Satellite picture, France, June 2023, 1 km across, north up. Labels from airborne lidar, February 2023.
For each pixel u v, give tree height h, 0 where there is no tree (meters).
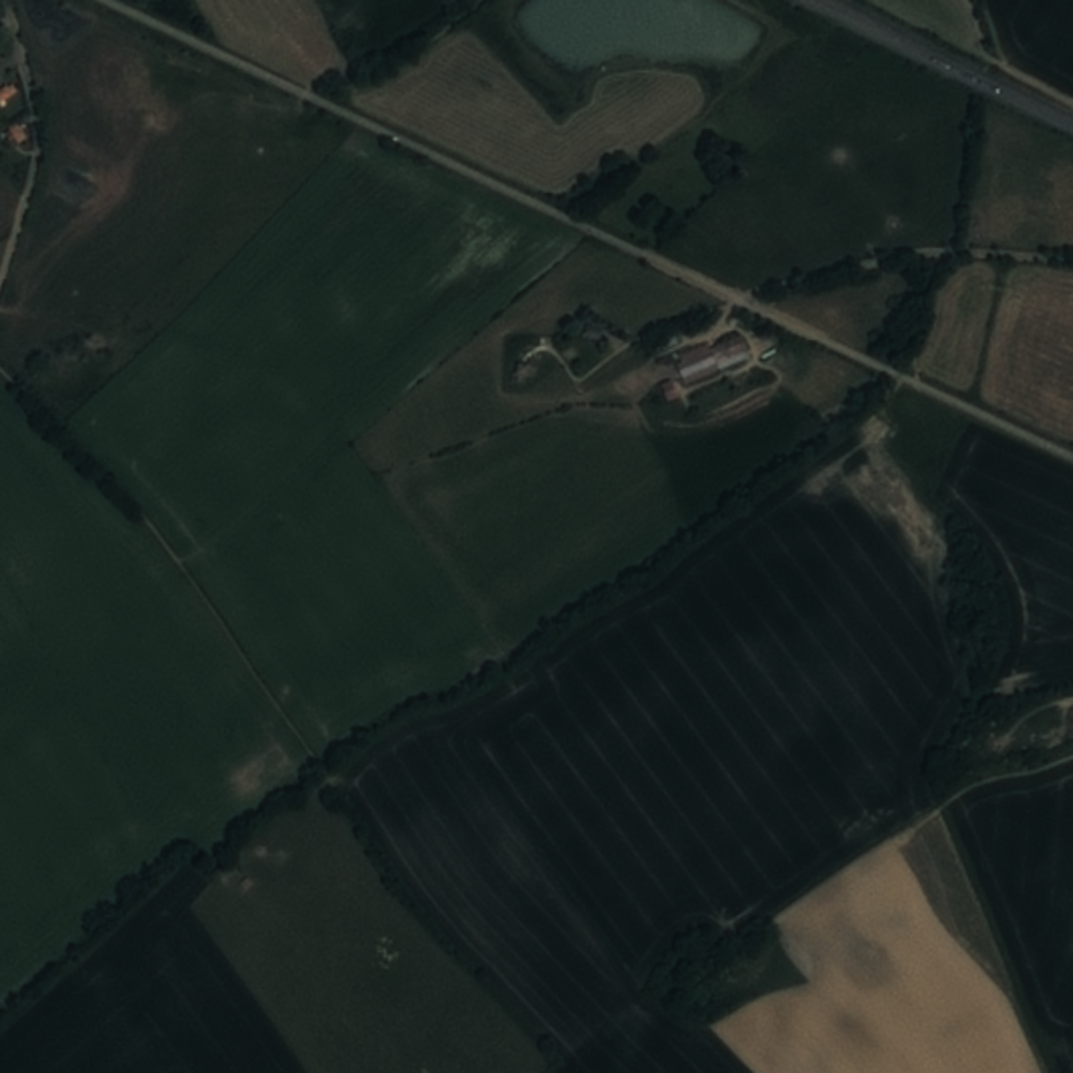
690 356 0
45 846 0
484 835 0
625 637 0
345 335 0
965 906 0
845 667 0
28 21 0
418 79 0
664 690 0
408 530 0
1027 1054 0
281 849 0
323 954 0
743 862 0
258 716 0
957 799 0
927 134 0
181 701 0
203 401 0
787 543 0
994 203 0
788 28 0
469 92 0
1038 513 0
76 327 0
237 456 0
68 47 0
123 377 0
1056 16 0
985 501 0
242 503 0
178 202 0
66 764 0
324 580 0
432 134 0
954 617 15
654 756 0
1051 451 0
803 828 0
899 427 0
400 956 0
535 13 0
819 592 0
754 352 0
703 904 0
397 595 0
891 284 0
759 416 0
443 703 15
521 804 0
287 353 0
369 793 0
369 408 0
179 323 0
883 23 0
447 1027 0
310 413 0
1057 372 0
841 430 19
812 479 0
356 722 0
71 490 0
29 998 9
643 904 0
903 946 0
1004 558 0
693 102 0
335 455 0
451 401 0
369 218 0
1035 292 0
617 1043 0
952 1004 0
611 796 0
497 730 0
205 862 25
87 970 0
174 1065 0
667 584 0
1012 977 0
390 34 0
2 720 0
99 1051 0
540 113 0
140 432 0
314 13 0
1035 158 0
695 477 0
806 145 0
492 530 0
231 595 0
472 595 0
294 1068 0
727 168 27
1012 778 0
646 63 0
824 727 0
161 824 0
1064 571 0
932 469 0
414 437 0
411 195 0
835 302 0
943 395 0
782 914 0
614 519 0
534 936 0
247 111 0
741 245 0
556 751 0
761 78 0
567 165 0
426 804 0
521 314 0
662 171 0
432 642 0
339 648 0
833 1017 0
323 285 0
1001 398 0
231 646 0
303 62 0
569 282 0
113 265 0
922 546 0
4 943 0
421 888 0
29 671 0
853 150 0
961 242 15
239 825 15
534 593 0
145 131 0
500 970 0
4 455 0
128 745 0
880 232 0
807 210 0
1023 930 0
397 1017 0
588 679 0
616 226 0
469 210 0
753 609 0
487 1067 0
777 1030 0
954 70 0
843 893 0
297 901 0
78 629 0
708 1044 0
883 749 0
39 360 14
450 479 0
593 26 0
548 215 0
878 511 0
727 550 0
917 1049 0
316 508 0
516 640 0
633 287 0
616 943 0
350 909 0
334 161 0
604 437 0
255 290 0
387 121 0
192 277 0
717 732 0
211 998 0
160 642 0
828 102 0
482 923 0
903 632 0
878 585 0
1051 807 0
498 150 0
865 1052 0
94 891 0
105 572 0
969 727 6
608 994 0
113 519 0
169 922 0
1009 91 0
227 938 0
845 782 0
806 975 0
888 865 0
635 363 0
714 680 0
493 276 0
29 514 0
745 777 0
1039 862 0
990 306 0
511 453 0
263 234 0
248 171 0
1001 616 21
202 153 0
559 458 0
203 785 0
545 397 0
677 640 0
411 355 0
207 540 0
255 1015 0
